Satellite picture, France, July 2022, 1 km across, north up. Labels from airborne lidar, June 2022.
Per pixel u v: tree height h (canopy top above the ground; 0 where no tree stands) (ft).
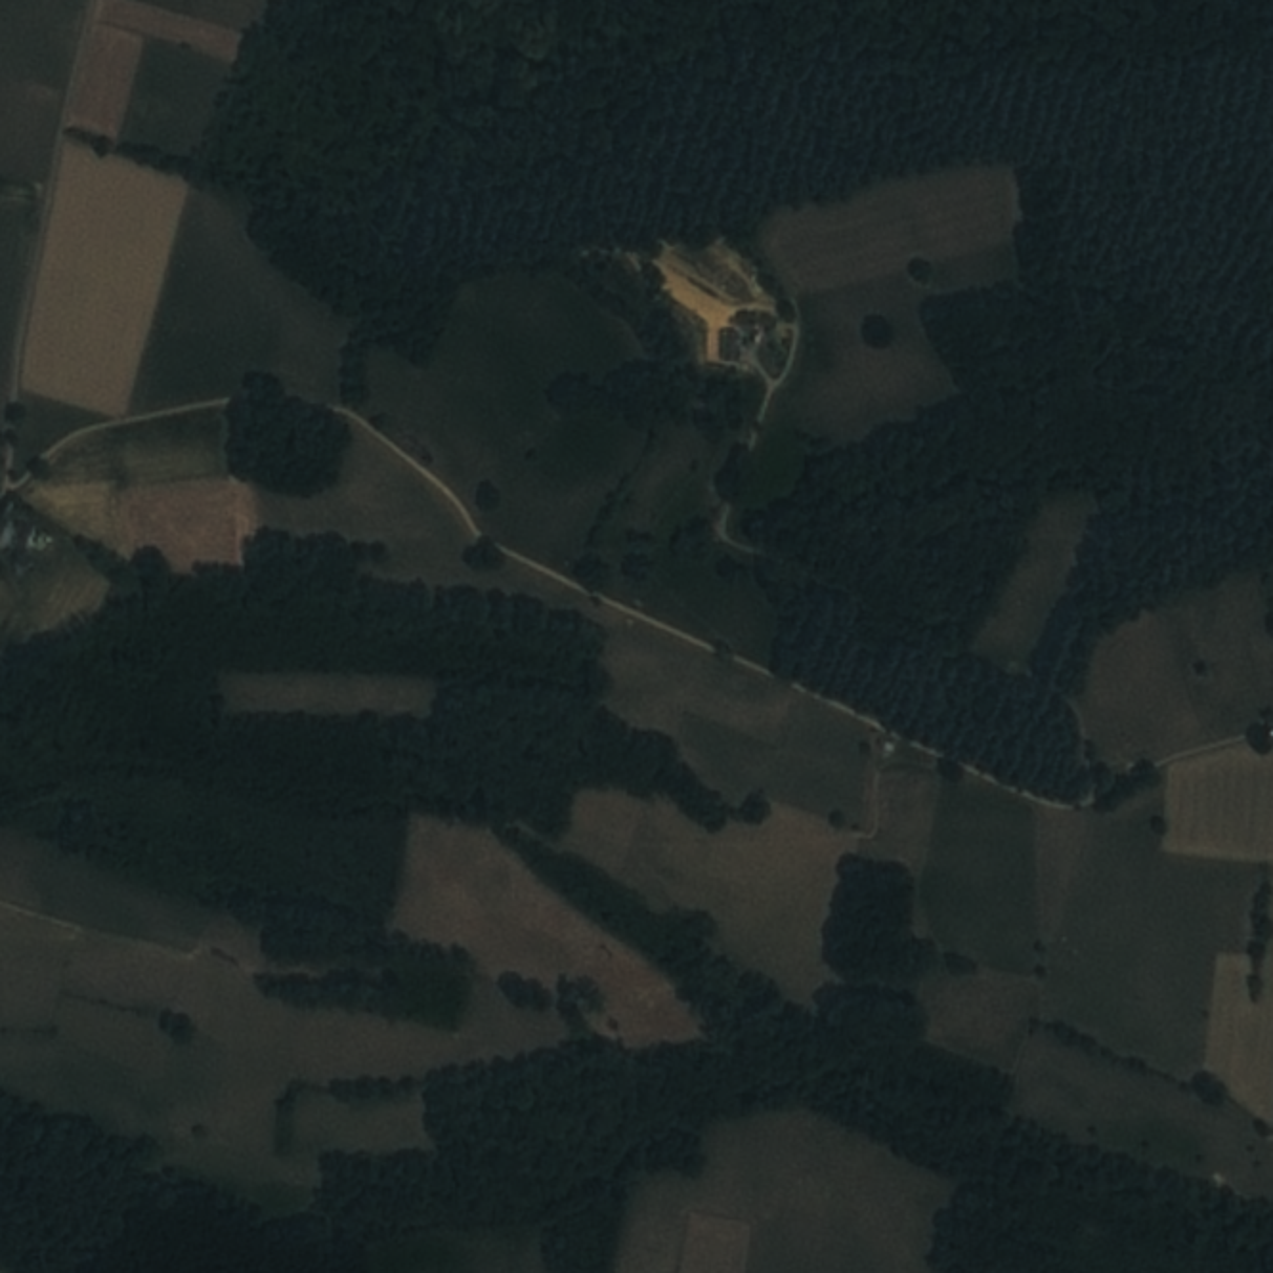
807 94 120
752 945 0
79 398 0
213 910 48
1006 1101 28
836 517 75
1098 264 82
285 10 55
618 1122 43
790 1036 79
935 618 32
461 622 83
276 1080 0
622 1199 68
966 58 100
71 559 0
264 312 0
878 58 126
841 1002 90
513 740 105
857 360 0
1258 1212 32
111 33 0
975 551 75
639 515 0
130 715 33
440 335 31
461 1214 41
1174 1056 0
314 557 83
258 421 51
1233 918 0
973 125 109
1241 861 0
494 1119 86
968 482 106
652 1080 91
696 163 93
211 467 0
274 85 20
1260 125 105
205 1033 0
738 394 74
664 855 0
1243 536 102
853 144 87
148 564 62
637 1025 0
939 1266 39
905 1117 87
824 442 30
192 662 18
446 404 0
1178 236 98
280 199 68
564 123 85
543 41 103
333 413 75
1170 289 93
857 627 64
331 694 0
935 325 66
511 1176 90
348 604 68
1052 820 0
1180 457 75
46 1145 74
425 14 76
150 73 0
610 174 110
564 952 0
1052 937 0
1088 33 93
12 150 0
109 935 0
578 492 0
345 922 82
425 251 86
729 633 0
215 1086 0
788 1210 0
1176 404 87
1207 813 0
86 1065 0
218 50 0
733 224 52
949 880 0
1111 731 0
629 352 0
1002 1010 0
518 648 19
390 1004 58
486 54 84
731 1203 0
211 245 0
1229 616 0
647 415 77
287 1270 68
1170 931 0
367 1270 65
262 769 41
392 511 0
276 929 76
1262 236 79
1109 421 89
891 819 0
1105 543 76
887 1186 0
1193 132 77
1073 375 101
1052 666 92
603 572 74
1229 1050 0
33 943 0
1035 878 0
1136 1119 0
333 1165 63
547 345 0
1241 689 0
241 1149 0
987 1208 83
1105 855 0
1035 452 77
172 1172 40
